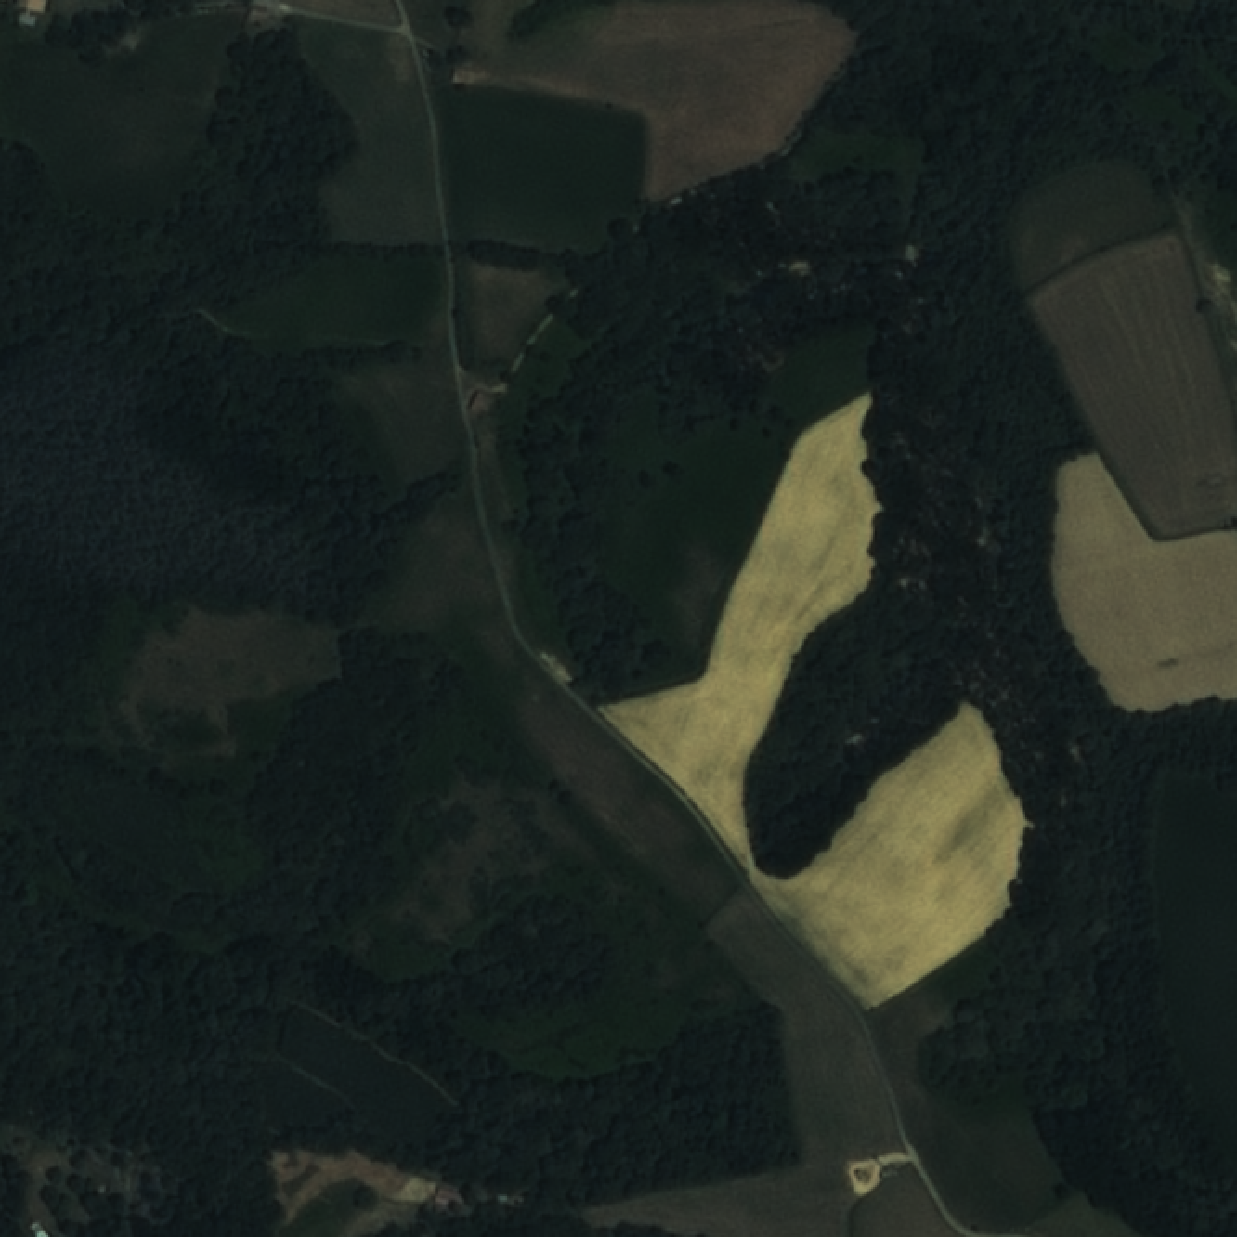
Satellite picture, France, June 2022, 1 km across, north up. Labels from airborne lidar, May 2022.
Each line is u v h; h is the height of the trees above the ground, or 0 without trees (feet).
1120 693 0
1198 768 40
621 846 0
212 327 26
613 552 0
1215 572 0
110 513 50
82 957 75
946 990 0
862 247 73
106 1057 37
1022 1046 39
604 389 31
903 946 0
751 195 68
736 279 70
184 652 0
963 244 19
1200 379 0
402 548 51
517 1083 47
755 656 0
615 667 68
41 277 50
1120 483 0
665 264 76
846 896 0
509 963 22
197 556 29
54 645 72
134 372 73
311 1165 0
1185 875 0
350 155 44
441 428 0
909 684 77
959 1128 0
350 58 0
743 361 68
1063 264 0
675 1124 65
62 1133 68
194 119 0
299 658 0
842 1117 0
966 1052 63
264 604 38
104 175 0
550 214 0
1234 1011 0
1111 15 68
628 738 0
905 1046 0
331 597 42
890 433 39
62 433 49
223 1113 52
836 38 0
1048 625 56
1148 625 0
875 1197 0
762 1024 42
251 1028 65
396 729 38
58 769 46
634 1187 40
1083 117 30
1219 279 0
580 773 0
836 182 70
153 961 40
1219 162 69
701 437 34
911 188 0
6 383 70
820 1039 0
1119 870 21
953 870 0
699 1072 55
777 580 0
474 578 0
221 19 0
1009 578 86
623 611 28
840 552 0
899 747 60
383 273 0
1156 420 0
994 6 82
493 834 0
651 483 52
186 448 69
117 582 43
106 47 57
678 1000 0
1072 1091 100
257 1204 61
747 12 0
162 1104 38
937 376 113
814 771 80
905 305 73
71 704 17
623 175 0
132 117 0
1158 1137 73
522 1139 79
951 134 96
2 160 80
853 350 0
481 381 0
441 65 41
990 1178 0
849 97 40
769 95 0
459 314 25
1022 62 66
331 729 63
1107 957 35
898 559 71
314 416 44
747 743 0
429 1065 50
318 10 0
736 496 0
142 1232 81
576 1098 55
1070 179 0
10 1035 26
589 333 38
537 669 0
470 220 0
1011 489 38
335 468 72
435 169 0
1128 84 26
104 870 48
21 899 101
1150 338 0
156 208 0
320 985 74
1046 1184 0
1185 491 0
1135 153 37
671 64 0
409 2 0
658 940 0
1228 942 0
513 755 0
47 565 35
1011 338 21
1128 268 0
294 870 48
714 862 0
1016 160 38
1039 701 90
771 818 44
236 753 0
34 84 0
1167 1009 24
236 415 30
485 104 0
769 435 41
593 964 48
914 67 93
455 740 0
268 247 70
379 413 0
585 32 0
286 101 33
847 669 55
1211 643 0
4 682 57
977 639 73
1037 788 77
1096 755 62
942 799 0
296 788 38
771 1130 34
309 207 22
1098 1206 43
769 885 0
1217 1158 51
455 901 0
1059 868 60
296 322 0
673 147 0
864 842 0
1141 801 42
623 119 0
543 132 0
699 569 0
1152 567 0
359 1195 36
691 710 0
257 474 97
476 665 0
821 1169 0
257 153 52
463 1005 39
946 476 84
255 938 49
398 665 48
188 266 29
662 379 62
